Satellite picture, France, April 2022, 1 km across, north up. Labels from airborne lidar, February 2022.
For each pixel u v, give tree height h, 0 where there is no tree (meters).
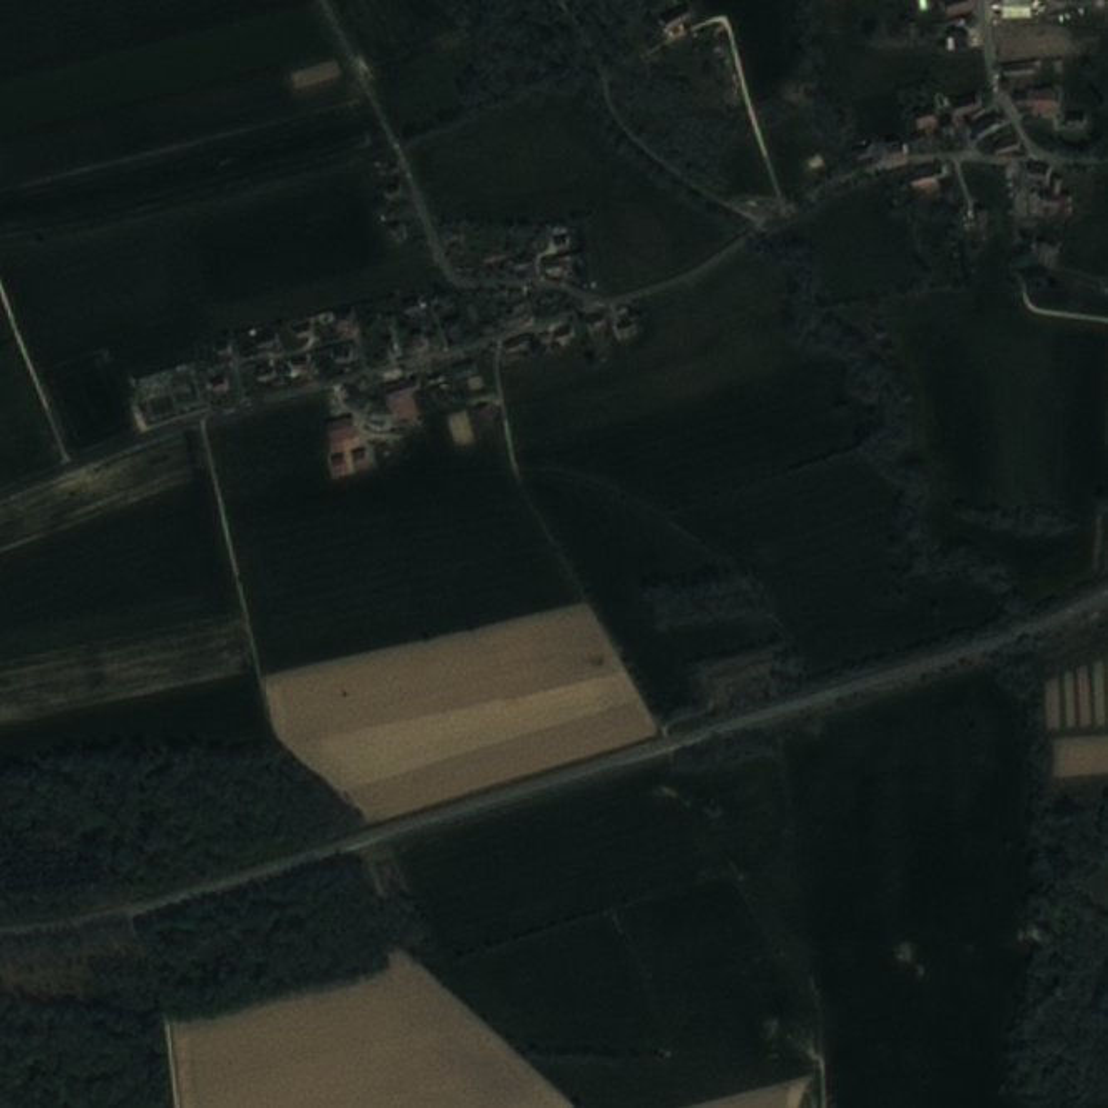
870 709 0
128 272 0
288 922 25
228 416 0
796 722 0
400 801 0
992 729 0
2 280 0
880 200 0
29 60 0
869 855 0
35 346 0
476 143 0
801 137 0
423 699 0
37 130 0
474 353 0
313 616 0
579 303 0
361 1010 0
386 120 0
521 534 0
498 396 0
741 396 0
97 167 0
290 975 22
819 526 0
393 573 0
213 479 0
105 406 0
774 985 0
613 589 0
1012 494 0
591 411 0
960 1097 0
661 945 0
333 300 0
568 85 25
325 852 0
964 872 0
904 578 6
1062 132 0
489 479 0
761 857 0
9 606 0
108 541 0
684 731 0
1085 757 0
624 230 0
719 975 0
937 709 0
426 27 0
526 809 0
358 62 0
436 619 0
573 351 0
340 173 0
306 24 0
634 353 0
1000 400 0
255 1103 0
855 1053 0
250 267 0
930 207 12
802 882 0
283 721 0
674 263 0
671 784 0
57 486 0
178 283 0
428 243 0
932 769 0
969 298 0
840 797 0
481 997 0
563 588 0
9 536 0
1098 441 0
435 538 0
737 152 0
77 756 22
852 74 0
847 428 0
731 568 0
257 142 0
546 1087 0
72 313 0
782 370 0
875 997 0
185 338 0
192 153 0
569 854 0
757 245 19
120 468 0
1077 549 0
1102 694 0
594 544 0
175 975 24
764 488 0
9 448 0
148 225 0
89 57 0
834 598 0
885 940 0
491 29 27
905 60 0
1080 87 0
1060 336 0
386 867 0
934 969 0
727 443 0
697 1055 0
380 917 20
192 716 0
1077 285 0
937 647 7
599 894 0
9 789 23
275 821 21
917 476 23
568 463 0
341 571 0
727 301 0
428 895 0
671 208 0
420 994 0
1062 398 0
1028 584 0
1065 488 0
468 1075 0
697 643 0
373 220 0
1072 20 0
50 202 0
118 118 0
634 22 16
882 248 0
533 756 0
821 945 0
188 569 0
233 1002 24
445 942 0
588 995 0
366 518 0
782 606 0
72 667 0
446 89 0
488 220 0
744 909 0
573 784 0
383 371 0
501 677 0
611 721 0
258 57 0
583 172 0
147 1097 25
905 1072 0
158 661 0
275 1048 0
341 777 0
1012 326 0
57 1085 22
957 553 14
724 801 0
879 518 0
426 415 0
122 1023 22
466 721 0
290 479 0
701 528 0
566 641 0
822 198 8
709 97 0
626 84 11
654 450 0
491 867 0
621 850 0
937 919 0
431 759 0
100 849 20
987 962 0
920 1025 0
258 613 0
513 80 27
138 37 0
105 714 0
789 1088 0
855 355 18
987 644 0
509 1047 9
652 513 0
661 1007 0
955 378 0
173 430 0
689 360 0
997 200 0
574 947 0
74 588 0
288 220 0
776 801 0
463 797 0
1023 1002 9
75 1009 17
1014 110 0
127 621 0
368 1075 0
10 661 0
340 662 0
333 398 0
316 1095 0
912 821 0
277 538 0
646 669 0
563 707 0
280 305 0
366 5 0
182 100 0
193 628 0
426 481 0
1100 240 0
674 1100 0
